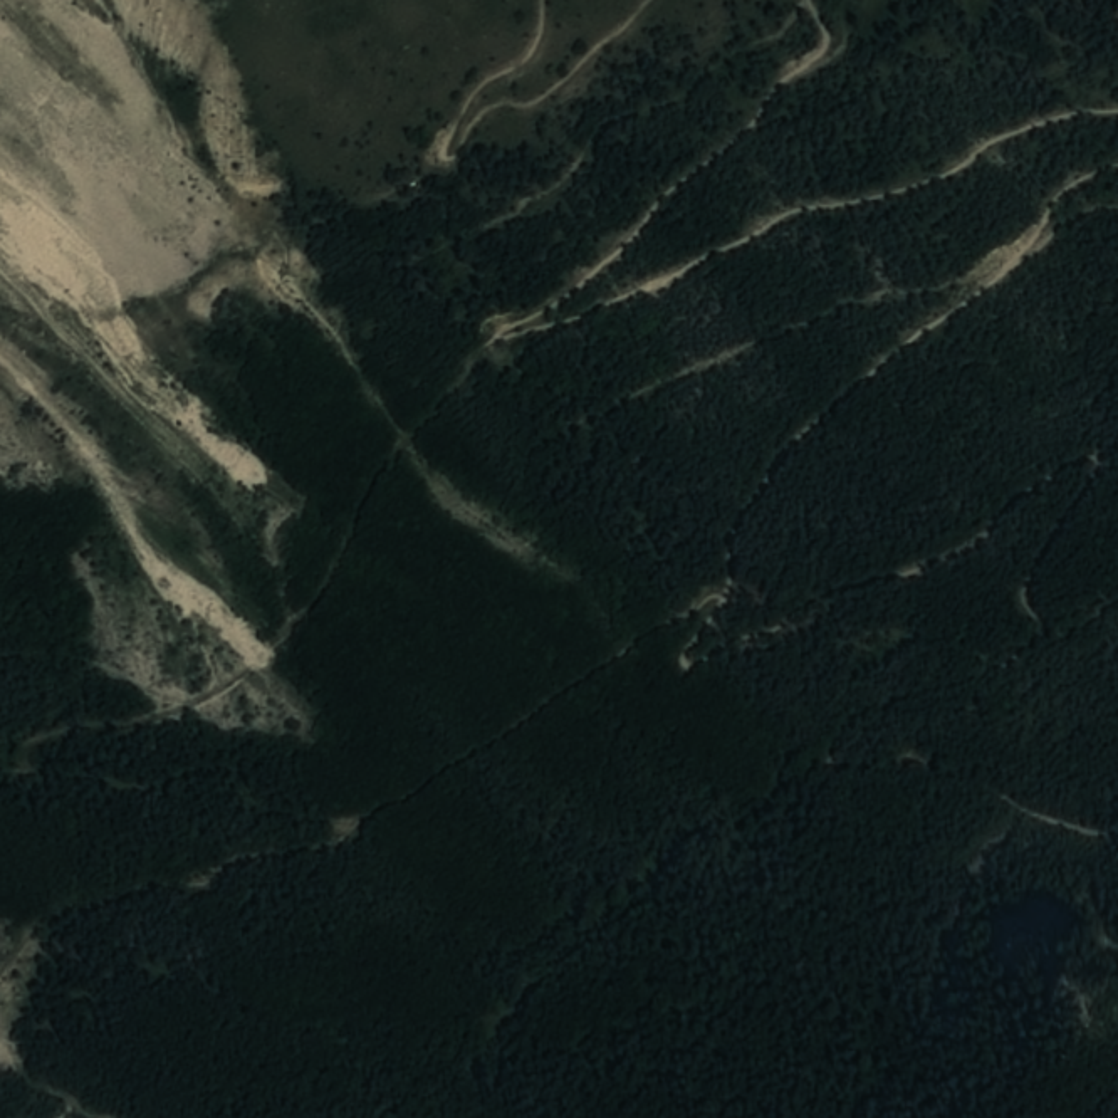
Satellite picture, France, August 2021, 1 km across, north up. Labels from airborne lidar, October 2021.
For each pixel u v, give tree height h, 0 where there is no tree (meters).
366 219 16
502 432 17
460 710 13
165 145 0
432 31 0
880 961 22
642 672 10
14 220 0
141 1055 18
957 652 19
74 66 0
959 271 16
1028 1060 23
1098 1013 13
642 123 25
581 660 12
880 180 18
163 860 14
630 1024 13
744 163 16
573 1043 18
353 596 12
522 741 13
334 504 13
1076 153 19
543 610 13
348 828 0
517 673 14
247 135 0
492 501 13
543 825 19
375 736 11
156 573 0
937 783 20
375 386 7
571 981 16
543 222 15
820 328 21
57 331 0
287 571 9
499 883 18
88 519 12
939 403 24
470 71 7
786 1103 24
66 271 0
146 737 17
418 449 10
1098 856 6
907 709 20
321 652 11
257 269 0
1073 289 16
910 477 24
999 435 17
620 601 11
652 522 17
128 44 0
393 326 13
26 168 0
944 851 19
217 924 18
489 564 12
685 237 18
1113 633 17
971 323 21
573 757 11
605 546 20
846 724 14
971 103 12
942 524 16
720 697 21
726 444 19
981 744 21
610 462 23
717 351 15
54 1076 10
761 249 14
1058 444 17
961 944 17
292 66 0
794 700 22
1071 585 21
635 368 18
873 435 20
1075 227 24
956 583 20
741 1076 21
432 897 15
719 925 14
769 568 18
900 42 19
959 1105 16
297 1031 16
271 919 19
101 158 0
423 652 12
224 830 24
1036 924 10
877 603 27
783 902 26
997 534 17
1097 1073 17
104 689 14
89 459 0
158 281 0
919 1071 14
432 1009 16
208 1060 15
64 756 13
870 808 20
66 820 17
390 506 16
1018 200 13
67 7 0
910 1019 23
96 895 10
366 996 16
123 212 0
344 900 20
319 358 12
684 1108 21
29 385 0
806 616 24
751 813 14
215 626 0
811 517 23
